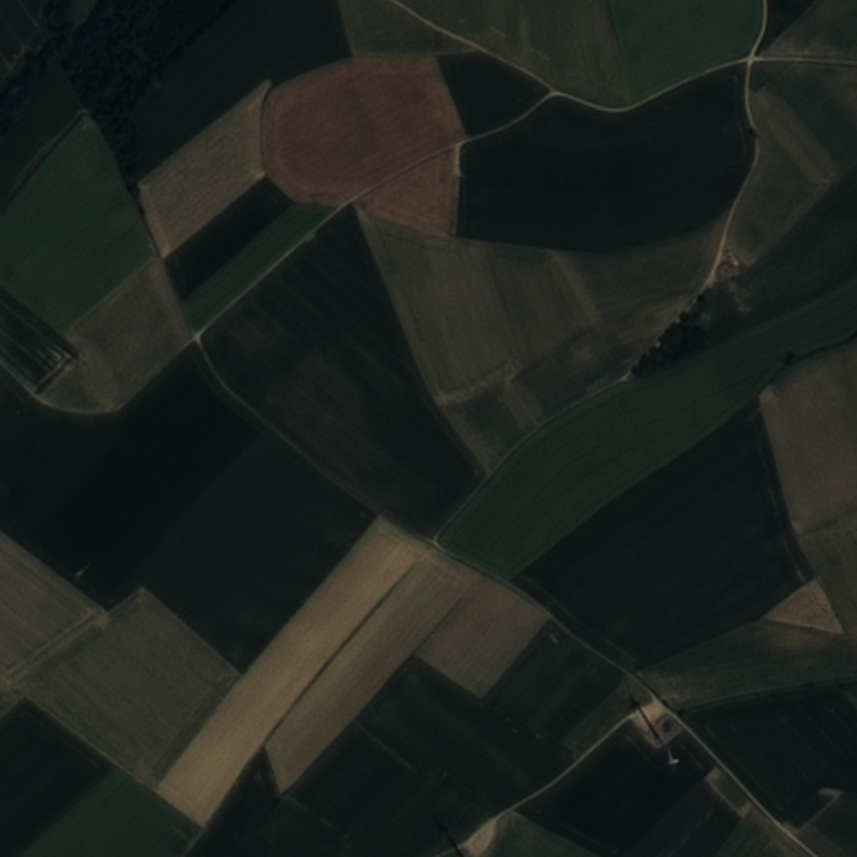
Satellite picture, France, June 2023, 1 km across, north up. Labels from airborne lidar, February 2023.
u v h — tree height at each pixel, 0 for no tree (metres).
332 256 0
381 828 0
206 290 0
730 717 0
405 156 0
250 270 0
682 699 0
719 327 0
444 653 0
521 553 0
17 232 0
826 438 0
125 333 0
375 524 0
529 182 0
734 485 0
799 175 0
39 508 0
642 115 0
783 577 0
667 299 0
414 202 0
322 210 0
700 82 0
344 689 0
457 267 0
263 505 0
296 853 0
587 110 0
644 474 0
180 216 0
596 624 0
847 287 0
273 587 0
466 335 0
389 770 0
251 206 0
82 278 0
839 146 0
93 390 0
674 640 0
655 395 0
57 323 0
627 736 0
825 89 0
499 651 0
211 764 0
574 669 0
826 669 0
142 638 0
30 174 0
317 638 0
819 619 0
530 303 0
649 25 0
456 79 0
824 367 0
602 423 0
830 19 0
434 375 0
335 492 0
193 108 0
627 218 0
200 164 0
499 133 0
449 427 0
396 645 0
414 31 0
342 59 0
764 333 0
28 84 16
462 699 0
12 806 0
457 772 0
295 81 0
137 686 0
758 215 0
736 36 0
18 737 0
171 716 0
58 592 0
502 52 0
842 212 0
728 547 0
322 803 0
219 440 0
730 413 0
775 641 0
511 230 0
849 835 0
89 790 0
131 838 0
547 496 0
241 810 0
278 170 0
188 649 0
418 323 0
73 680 0
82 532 0
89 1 0
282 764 0
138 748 0
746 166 0
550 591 0
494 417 0
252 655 0
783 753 0
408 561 0
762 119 0
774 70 0
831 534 0
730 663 0
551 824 0
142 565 0
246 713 0
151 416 0
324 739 0
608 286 0
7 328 0
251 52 0
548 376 0
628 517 0
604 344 0
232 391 0
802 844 0
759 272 0
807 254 0
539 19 0
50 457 0
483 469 0
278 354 0
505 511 0
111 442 0
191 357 0
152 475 0
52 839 0
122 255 0
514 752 0
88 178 0
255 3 0
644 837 0
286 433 0
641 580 0
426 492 0
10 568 0
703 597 0
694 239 0
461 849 0
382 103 0
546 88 0
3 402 0
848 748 0
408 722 0
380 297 0
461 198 0
